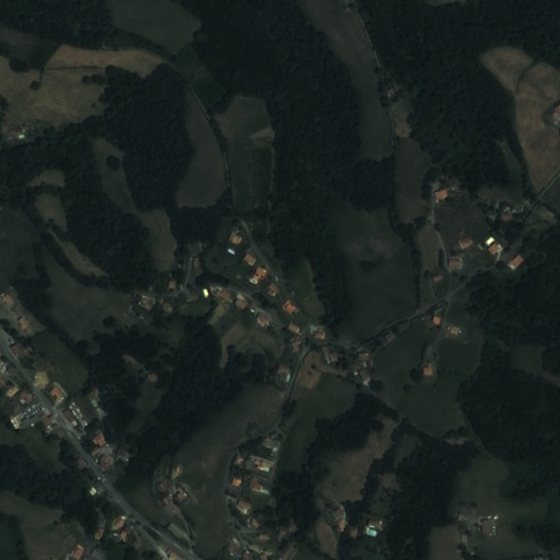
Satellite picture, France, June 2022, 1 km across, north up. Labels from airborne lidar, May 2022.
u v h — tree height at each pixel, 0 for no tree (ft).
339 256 71
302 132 57
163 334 0
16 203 58
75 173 52
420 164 0
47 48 0
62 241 24
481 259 0
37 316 76
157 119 70
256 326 0
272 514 53
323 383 0
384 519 20
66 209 22
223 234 0
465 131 96
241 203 0
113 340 52
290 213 75
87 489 44
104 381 24
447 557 0
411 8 70
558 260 61
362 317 0
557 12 73
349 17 0
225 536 0
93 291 0
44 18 44
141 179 40
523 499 29
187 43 0
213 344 83
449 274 0
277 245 40
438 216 0
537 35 65
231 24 62
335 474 0
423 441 39
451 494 41
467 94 72
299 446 0
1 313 0
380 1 52
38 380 0
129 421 43
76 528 0
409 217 0
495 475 0
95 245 90
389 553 37
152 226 0
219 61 52
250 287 0
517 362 0
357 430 63
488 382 48
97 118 46
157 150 86
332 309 49
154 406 0
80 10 42
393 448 25
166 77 59
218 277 32
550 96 0
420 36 59
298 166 59
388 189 52
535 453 35
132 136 72
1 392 31
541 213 0
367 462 0
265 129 0
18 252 0
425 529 68
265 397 0
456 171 65
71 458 43
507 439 77
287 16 72
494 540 0
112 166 54
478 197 24
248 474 20
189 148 41
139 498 0
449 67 57
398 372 0
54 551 0
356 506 45
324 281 74
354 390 0
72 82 0
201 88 0
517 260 0
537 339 66
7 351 0
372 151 0
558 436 67
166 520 0
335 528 26
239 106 0
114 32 24
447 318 0
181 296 29
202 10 46
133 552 68
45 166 32
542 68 0
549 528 21
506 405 52
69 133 58
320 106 33
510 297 43
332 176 58
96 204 65
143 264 72
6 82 0
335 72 62
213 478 0
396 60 87
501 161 78
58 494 67
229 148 32
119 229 70
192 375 25
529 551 0
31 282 41
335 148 68
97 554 0
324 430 53
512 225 26
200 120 0
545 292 56
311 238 75
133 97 62
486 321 61
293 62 93
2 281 0
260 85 69
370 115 0
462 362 0
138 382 41
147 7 0
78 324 0
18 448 43
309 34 75
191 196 0
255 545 0
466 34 82
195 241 44
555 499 41
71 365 0
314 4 0
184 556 0
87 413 0
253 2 64
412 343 0
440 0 0
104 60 0
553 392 39
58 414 0
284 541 40
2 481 74
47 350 0
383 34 44
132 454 57
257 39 84
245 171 0
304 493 57
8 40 0
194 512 0
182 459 0
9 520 52
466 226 0
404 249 0
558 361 38
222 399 79
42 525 0
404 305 0
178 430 25
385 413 45
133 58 0
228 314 0
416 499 30
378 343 46
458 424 0
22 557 43
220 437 0
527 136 0
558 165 0
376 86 0
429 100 75
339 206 0
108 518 66
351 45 0
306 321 0
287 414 20
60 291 0
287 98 79
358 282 0
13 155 88
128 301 0
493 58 0
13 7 49
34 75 0
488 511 0
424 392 0
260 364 57
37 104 0
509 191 0
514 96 0
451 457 51
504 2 74
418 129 39
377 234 0
